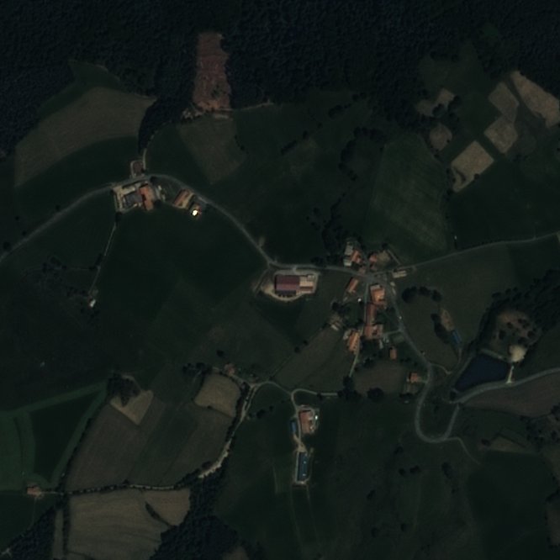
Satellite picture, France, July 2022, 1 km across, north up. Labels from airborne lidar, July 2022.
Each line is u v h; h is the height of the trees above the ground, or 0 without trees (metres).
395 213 0
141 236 0
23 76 19
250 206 0
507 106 0
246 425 0
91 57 12
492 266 0
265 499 0
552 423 0
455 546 0
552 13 18
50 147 0
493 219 0
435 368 0
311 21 35
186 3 32
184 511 0
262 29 28
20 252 0
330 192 0
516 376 0
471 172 0
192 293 0
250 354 0
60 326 0
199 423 0
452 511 0
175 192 0
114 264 0
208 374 11
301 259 0
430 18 20
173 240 0
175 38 29
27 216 0
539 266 0
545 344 0
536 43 19
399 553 0
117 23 19
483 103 0
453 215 0
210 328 0
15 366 0
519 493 0
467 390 0
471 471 0
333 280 0
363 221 0
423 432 0
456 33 10
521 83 0
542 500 0
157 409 0
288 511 0
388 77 18
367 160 0
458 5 11
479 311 0
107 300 0
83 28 26
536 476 0
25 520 0
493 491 0
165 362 0
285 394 0
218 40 0
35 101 21
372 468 0
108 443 0
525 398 0
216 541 26
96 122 0
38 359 0
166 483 0
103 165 0
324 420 0
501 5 13
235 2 25
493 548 0
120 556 0
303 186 0
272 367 0
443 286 0
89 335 0
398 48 20
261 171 0
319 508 0
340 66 24
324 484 0
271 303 0
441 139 0
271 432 0
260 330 0
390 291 0
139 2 38
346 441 0
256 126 0
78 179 0
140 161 0
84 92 0
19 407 0
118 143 0
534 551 0
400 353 0
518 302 12
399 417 0
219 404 0
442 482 0
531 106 0
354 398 23
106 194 0
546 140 0
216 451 0
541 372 0
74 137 0
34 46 16
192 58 25
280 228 0
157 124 17
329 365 0
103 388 0
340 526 0
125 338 0
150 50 19
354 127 0
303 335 0
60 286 0
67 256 0
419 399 0
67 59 13
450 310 0
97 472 0
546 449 0
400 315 0
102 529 0
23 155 0
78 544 0
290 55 26
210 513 13
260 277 0
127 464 0
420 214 0
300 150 0
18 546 13
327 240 20
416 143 0
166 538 15
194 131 0
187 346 0
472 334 0
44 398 0
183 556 16
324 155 0
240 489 0
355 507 0
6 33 20
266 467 0
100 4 21
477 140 0
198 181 0
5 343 0
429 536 0
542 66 19
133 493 0
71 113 0
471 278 0
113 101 0
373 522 0
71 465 9
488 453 0
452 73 0
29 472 0
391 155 0
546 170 0
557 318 11
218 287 0
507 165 0
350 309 5
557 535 0
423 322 0
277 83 28
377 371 0
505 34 14
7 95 21
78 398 0
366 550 0
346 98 0
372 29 27
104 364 0
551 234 0
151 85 0
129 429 0
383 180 0
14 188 0
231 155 0
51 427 0
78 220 0
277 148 0
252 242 0
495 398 0
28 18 22
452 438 0
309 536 0
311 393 0
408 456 0
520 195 0
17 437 0
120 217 12
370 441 0
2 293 0
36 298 0
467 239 0
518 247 0
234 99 24
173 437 0
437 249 0
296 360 0
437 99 0
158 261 0
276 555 0
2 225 0
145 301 0
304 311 0
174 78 26
